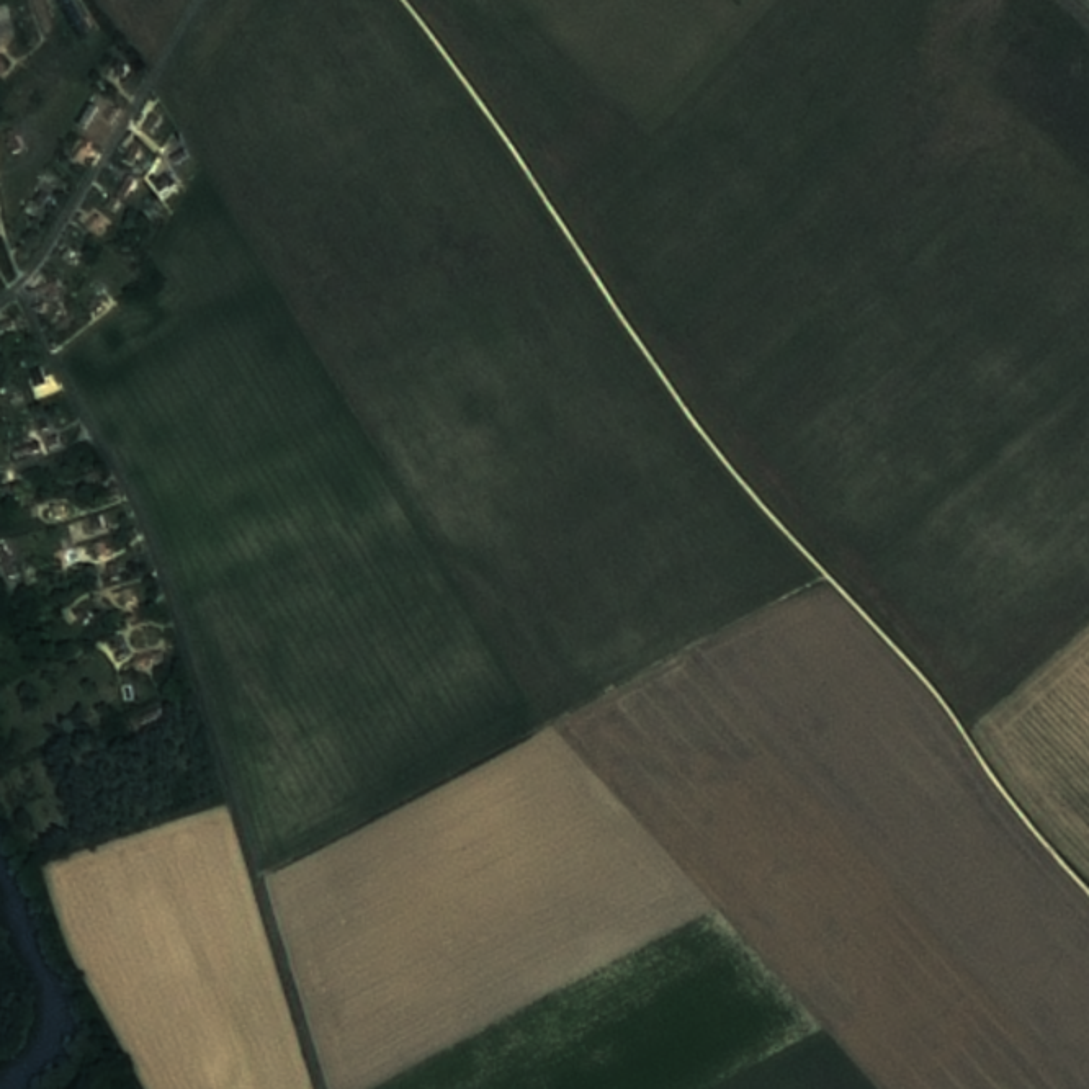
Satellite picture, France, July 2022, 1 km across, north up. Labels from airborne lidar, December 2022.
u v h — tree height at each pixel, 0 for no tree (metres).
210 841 0
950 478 0
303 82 0
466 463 0
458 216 0
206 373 0
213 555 0
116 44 11
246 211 0
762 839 0
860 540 0
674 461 0
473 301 0
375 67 0
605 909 0
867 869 0
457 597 0
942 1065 0
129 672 9
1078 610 0
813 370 0
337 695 0
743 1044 0
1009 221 0
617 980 0
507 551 0
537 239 0
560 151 0
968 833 0
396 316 0
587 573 0
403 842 0
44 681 11
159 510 0
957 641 0
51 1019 0
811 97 0
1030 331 0
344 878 0
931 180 0
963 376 0
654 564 0
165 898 0
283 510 0
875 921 0
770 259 0
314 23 0
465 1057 0
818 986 0
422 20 0
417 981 0
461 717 0
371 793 0
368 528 0
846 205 0
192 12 0
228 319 0
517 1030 0
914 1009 0
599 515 0
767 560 0
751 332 0
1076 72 0
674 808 0
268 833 0
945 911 0
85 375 0
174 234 0
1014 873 0
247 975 0
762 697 0
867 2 0
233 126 0
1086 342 0
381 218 0
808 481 0
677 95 0
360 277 0
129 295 13
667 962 0
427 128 0
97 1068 14
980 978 0
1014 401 0
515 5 0
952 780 0
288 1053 0
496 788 0
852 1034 0
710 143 0
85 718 18
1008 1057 0
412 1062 0
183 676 18
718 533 0
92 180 0
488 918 0
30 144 0
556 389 0
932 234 0
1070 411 0
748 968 0
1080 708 0
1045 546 0
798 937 0
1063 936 0
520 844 0
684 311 0
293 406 0
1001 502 0
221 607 0
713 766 0
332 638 0
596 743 0
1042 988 0
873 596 0
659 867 0
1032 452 0
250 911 0
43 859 14
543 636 0
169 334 0
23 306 0
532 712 0
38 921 18
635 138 0
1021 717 0
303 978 0
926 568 0
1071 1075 0
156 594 10
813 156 0
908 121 0
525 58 0
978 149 0
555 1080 0
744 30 0
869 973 0
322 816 0
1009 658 0
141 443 0
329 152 0
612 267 0
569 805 0
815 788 0
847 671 0
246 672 0
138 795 18
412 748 0
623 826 0
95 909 0
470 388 0
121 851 0
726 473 0
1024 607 0
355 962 0
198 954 0
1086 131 0
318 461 0
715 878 0
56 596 11
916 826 0
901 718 0
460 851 0
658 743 0
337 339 0
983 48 0
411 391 0
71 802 26
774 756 0
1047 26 0
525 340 0
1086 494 0
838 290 0
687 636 0
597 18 0
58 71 0
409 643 0
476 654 0
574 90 0
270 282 0
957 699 0
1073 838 0
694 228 0
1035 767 0
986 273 0
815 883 0
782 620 0
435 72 0
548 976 0
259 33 0
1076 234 0
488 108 0
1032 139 0
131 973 0
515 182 0
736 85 0
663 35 0
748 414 0
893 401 0
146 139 0
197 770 19
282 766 0
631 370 0
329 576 0
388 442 0
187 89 0
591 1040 0
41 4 0
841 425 0
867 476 0
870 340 0
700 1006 0
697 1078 0
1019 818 0
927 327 0
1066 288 0
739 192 0
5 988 20
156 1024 0
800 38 0
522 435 0
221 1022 0
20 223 0
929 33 0
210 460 0
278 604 0
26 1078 0
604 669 0
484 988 0
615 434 0
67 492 7
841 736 0
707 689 0
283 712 0
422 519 0
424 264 0
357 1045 0
